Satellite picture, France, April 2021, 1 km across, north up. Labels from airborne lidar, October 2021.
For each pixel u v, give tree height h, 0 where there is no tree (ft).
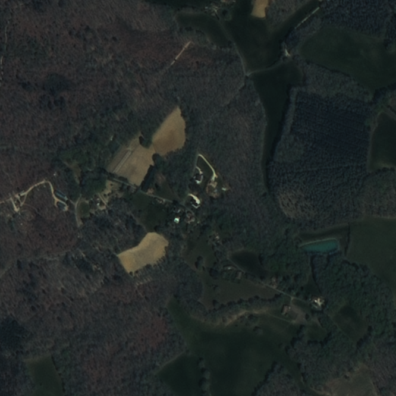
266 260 80
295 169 48
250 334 0
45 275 53
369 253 0
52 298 44
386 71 0
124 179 26
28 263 45
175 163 62
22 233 42
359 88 52
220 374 0
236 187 73
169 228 53
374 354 67
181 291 69
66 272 46
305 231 37
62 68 31
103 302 22
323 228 51
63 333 45
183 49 39
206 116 62
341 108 62
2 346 45
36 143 50
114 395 33
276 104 0
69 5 52
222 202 64
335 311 66
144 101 71
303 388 0
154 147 0
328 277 84
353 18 42
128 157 0
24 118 51
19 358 61
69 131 54
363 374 0
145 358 52
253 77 0
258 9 0
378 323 60
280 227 74
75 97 22
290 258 86
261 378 0
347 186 53
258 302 46
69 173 71
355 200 35
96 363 23
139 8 55
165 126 0
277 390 73
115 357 39
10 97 38
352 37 0
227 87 66
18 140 41
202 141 70
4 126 44
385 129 0
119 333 57
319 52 0
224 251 60
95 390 28
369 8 69
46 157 43
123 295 50
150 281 66
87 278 32
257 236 92
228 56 27
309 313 0
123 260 0
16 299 48
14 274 47
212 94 65
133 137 71
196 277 58
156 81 58
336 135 60
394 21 61
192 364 0
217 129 59
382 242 0
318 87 81
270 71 0
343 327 0
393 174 76
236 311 86
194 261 0
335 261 73
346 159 49
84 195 81
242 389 0
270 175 54
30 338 42
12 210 57
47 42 37
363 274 81
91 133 60
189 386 0
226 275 18
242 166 69
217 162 68
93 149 78
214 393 0
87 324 54
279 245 70
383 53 0
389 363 64
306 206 25
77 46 23
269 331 0
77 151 77
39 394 0
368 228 0
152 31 60
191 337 0
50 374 0
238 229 67
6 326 58
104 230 76
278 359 0
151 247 0
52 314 28
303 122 59
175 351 70
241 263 0
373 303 78
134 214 38
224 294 0
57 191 50
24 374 60
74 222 73
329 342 62
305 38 53
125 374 34
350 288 78
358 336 0
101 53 64
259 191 77
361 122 61
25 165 36
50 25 24
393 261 0
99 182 63
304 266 77
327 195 52
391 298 81
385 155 0
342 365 75
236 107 40
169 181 55
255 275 0
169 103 72
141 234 74
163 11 57
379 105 72
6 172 29
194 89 55
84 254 36
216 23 0
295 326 0
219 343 0
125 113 71
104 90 38
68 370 65
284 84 0
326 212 40
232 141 59
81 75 35
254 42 0
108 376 43
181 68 30
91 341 60
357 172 41
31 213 0
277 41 0
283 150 82
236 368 0
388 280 0
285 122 61
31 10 65
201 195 52
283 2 75
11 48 21
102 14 61
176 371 0
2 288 58
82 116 47
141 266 0
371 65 0
